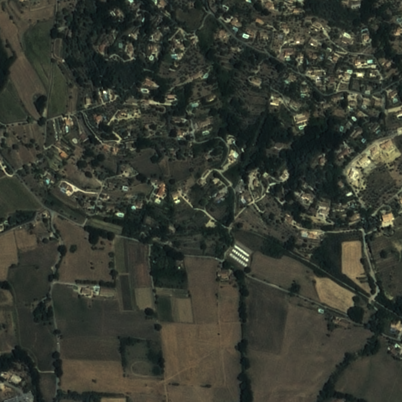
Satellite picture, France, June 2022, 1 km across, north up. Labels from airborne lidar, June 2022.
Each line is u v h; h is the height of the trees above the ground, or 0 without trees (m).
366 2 17
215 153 14
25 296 0
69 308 0
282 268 0
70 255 0
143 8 13
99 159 13
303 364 0
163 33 8
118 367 0
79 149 0
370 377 0
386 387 0
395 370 0
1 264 0
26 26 0
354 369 0
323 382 0
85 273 0
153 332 0
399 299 11
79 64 10
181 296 0
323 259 9
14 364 18
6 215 0
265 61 7
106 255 0
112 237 15
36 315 10
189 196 0
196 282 0
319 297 0
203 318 0
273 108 0
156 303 9
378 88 14
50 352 0
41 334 0
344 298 0
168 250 14
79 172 0
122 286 0
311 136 20
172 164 0
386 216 0
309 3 11
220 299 0
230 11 6
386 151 0
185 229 13
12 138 0
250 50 8
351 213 12
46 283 0
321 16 5
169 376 0
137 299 0
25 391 6
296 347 0
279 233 0
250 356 0
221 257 11
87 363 0
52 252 0
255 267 0
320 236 9
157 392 0
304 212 15
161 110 14
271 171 13
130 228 6
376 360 0
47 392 0
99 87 11
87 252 0
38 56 0
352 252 0
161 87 12
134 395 0
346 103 15
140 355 0
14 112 0
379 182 0
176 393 0
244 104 11
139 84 14
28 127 0
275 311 0
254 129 12
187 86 14
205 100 10
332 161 16
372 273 0
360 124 9
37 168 7
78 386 0
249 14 8
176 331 0
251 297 0
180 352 0
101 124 9
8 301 0
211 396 0
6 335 0
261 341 0
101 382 0
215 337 0
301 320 0
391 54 15
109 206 0
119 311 0
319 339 0
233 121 19
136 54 8
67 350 0
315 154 25
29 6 0
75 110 0
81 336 0
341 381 0
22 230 0
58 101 0
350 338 0
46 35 0
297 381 0
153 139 7
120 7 10
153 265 6
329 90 11
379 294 9
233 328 0
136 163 0
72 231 0
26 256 0
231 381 0
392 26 11
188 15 0
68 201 0
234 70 6
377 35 12
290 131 13
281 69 14
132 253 0
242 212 0
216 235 7
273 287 0
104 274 0
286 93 10
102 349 0
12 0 0
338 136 17
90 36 7
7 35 0
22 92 0
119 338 9
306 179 15
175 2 6
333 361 0
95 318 0
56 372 12
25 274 0
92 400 13
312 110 6
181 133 0
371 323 20
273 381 0
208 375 0
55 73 0
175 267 11
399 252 0
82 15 13
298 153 20
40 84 0
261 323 0
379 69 6
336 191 15
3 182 0
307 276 0
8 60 17
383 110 7
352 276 0
